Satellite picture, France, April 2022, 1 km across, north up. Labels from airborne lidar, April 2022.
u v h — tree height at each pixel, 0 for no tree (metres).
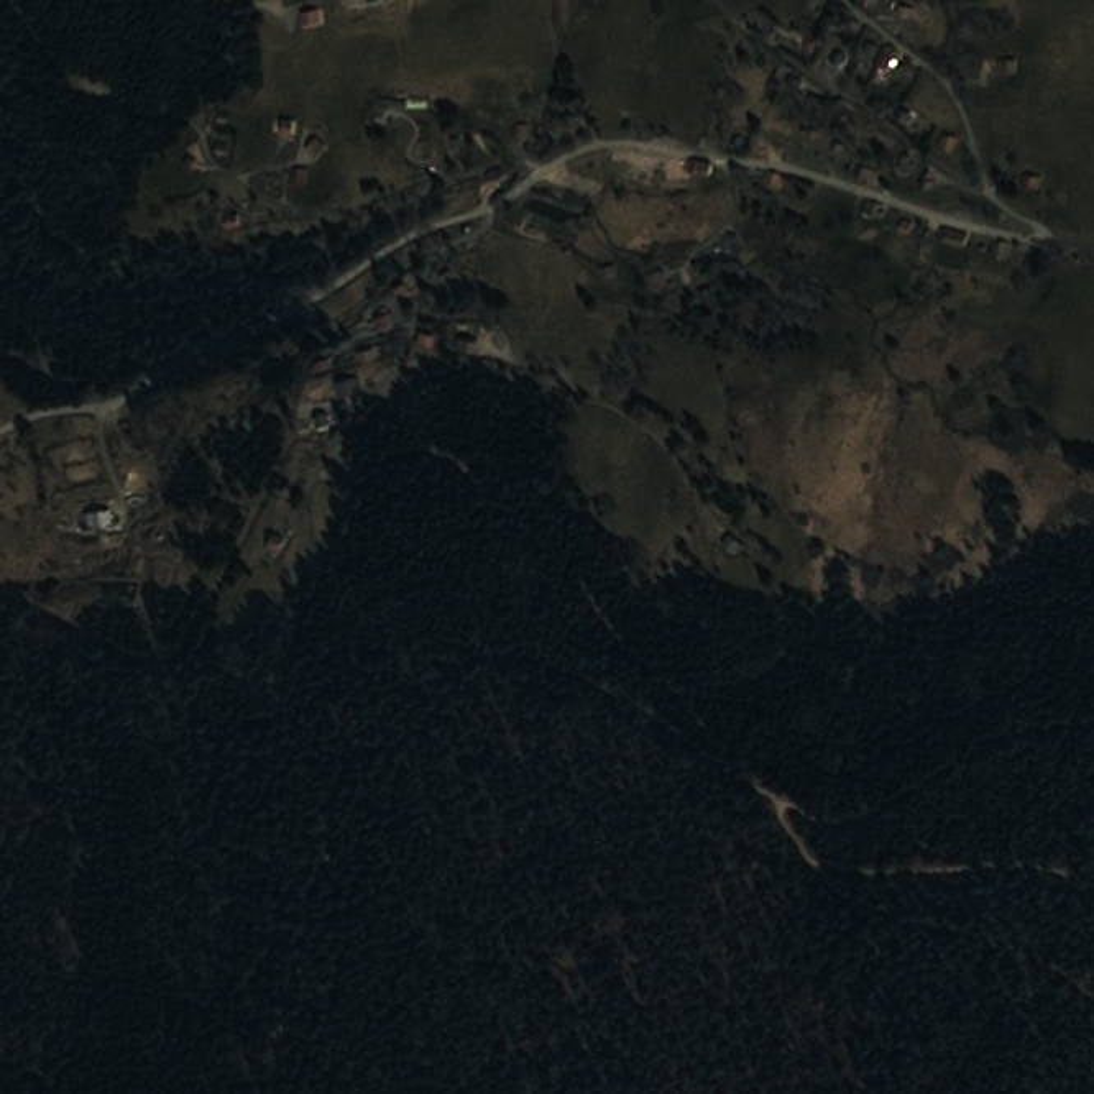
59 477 0
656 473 0
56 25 17
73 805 22
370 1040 26
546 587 23
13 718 38
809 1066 19
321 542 0
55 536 0
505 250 0
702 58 0
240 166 0
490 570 23
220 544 18
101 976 20
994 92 0
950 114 0
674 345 0
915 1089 38
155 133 21
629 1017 32
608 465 0
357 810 30
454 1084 26
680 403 0
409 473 23
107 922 26
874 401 0
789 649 18
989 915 36
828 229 8
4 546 0
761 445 0
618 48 0
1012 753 19
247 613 0
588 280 0
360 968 25
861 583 0
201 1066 26
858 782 24
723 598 22
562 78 14
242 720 20
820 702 20
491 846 29
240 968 19
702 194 0
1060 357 0
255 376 8
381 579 25
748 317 0
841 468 0
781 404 0
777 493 0
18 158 39
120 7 28
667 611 18
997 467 0
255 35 20
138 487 0
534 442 15
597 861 36
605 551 19
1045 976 38
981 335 0
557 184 0
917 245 0
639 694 24
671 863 25
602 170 0
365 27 0
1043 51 0
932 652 19
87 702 20
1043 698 28
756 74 0
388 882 27
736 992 9
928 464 0
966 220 0
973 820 17
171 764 13
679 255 0
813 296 15
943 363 0
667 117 0
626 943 14
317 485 0
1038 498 0
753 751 21
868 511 0
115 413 0
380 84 0
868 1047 34
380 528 22
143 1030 27
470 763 18
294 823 28
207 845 31
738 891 35
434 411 21
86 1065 29
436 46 0
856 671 13
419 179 0
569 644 26
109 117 26
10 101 39
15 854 14
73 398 24
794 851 14
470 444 14
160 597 11
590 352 0
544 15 0
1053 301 0
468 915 29
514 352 0
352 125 0
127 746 24
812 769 20
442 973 28
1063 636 27
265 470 11
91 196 22
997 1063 10
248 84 15
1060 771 9
